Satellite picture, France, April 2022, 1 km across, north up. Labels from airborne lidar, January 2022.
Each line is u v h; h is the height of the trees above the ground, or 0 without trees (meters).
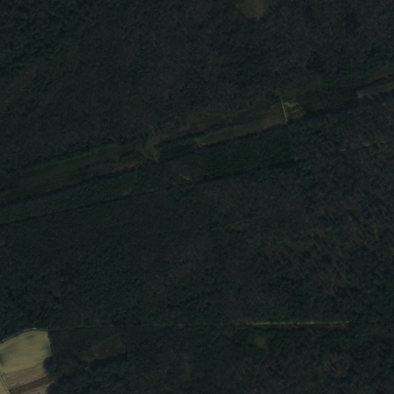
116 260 23
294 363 11
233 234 18
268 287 26
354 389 35
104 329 18
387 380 28
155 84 20
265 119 0
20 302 14
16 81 20
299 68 29
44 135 23
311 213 23
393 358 27
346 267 37
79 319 24
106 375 36
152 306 25
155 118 20
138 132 18
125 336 14
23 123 22
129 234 18
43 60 26
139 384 24
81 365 25
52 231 19
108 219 19
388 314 25
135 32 22
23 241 19
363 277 26
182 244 27
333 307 26
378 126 29
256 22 19
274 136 18
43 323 21
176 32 20
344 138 29
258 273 21
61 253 18
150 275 26
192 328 19
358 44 29
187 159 18
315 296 32
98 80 21
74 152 26
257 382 6
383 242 32
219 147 15
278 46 22
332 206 33
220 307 23
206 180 24
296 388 13
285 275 14
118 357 0
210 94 20
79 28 28
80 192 17
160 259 22
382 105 29
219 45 13
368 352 29
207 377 12
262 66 19
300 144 25
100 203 14
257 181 27
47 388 0
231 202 23
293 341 13
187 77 18
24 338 0
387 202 32
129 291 22
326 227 33
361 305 26
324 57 30
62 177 0
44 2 34
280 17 26
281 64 27
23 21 30
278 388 16
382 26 24
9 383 0
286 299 29
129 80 19
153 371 26
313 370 29
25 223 18
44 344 0
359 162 27
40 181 0
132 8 26
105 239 21
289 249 26
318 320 23
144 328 20
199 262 26
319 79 28
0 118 18
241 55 20
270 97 25
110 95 14
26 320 21
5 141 22
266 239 24
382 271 33
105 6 21
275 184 28
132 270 20
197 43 24
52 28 25
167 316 25
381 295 30
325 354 10
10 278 25
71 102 21
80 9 26
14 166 24
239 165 17
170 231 19
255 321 21
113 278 23
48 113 22
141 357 22
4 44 31
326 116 27
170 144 11
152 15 21
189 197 21
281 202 26
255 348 11
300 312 23
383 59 25
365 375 29
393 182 29
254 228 25
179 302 14
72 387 33
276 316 27
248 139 15
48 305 23
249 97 28
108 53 21
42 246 17
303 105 0
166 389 25
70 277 25
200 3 26
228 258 23
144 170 16
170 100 21
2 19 28
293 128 21
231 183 23
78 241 19
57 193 14
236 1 23
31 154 26
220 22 18
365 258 26
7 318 23
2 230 19
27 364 0
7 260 21
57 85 21
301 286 22
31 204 19
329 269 32
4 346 0
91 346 21
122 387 35
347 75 27
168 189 17
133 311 24
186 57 23
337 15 27
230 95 28
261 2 0
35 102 16
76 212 18
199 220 25
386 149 32
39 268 20
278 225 23
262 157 19
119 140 27
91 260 21
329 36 32
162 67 24
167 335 21
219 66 23
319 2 21
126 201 18
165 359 21
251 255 15
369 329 25
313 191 33
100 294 22
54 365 29
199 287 26
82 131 26
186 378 16
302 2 26
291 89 28
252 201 26
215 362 15
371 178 25
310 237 28
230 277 22
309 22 25
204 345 15
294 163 27
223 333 10
